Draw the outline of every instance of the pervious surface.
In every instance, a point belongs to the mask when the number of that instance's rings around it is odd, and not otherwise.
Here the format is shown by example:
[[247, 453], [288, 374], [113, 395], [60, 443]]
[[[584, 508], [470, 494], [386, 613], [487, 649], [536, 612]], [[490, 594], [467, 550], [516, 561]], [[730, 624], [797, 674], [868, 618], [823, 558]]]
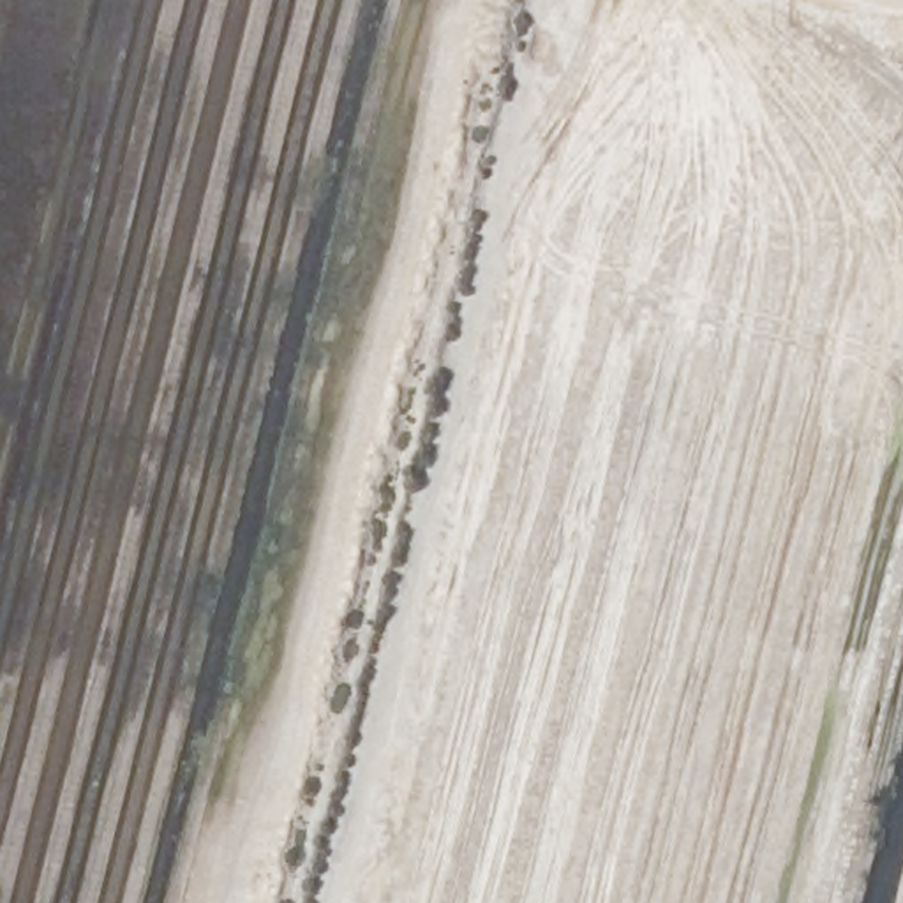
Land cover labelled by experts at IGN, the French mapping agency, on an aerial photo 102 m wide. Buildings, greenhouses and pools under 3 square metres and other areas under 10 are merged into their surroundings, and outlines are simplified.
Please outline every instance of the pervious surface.
[[[247, 586], [250, 557], [261, 536], [268, 480], [275, 466], [282, 420], [289, 409], [300, 342], [307, 332], [307, 314], [314, 307], [321, 254], [346, 183], [353, 134], [370, 81], [370, 63], [377, 53], [388, 0], [0, 0], [0, 903], [300, 903], [303, 882], [314, 868], [317, 829], [335, 790], [342, 737], [356, 709], [356, 681], [367, 663], [367, 642], [381, 607], [381, 582], [399, 540], [399, 522], [413, 526], [413, 550], [402, 568], [395, 617], [377, 653], [377, 674], [370, 684], [370, 705], [356, 748], [346, 811], [332, 836], [332, 861], [321, 882], [325, 903], [861, 903], [864, 875], [875, 857], [871, 794], [892, 780], [896, 755], [903, 748], [903, 0], [441, 0], [441, 7], [430, 14], [430, 53], [420, 88], [420, 113], [409, 148], [395, 240], [367, 314], [367, 328], [356, 317], [349, 317], [342, 325], [328, 321], [317, 332], [321, 363], [307, 388], [307, 413], [293, 448], [293, 469], [307, 473], [321, 487], [307, 568], [300, 575], [296, 603], [289, 614], [282, 670], [250, 734], [247, 755], [236, 762], [236, 797], [222, 794], [222, 801], [215, 804], [208, 801], [208, 790], [198, 787], [198, 737], [208, 734], [219, 709], [226, 709], [222, 677], [229, 638]], [[476, 289], [462, 293], [459, 268], [466, 247], [466, 222], [473, 208], [487, 208], [487, 226], [476, 257]], [[420, 452], [420, 430], [430, 402], [427, 388], [437, 367], [452, 370], [448, 413], [441, 416], [437, 462], [427, 473], [427, 487], [416, 490], [406, 483], [406, 476], [409, 462]], [[367, 568], [356, 561], [356, 554], [363, 526], [370, 519], [370, 504], [377, 501], [381, 476], [392, 480], [395, 501], [384, 522], [377, 561]]]

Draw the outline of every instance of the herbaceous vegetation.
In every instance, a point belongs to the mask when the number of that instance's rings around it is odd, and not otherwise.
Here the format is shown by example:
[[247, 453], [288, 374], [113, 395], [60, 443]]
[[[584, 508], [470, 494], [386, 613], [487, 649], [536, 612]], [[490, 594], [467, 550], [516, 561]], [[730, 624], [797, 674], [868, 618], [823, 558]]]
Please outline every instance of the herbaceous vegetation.
[[377, 561], [384, 522], [395, 501], [392, 480], [381, 476], [377, 501], [370, 504], [370, 519], [363, 526], [356, 554], [356, 561], [367, 568]]
[[875, 857], [864, 875], [861, 903], [903, 903], [903, 748], [896, 755], [892, 780], [871, 794]]
[[466, 247], [459, 268], [462, 293], [476, 289], [476, 257], [487, 226], [487, 208], [473, 208], [466, 222]]
[[377, 653], [395, 617], [402, 568], [413, 550], [413, 526], [399, 522], [399, 540], [381, 582], [381, 607], [367, 642], [367, 663], [356, 681], [356, 709], [342, 737], [335, 790], [317, 829], [314, 868], [303, 882], [300, 903], [325, 903], [321, 882], [332, 861], [332, 836], [346, 811], [356, 748], [370, 705], [370, 684], [377, 674]]
[[420, 113], [420, 88], [430, 53], [430, 14], [441, 7], [441, 0], [388, 0], [377, 53], [370, 63], [370, 81], [353, 134], [346, 183], [321, 254], [314, 307], [307, 314], [307, 332], [300, 342], [289, 409], [282, 420], [275, 466], [268, 480], [261, 536], [250, 557], [247, 586], [229, 638], [222, 677], [226, 709], [219, 709], [208, 734], [198, 737], [198, 787], [208, 790], [208, 801], [215, 804], [222, 801], [222, 794], [236, 797], [236, 762], [247, 755], [250, 734], [282, 670], [289, 614], [296, 603], [300, 575], [307, 568], [321, 487], [307, 473], [293, 469], [293, 448], [307, 413], [307, 388], [321, 363], [317, 332], [328, 321], [342, 325], [349, 317], [356, 317], [367, 328], [367, 314], [395, 240], [409, 148]]
[[409, 462], [406, 476], [406, 483], [416, 490], [427, 487], [427, 473], [437, 462], [441, 416], [448, 413], [452, 370], [437, 367], [427, 388], [430, 402], [420, 430], [420, 452]]

